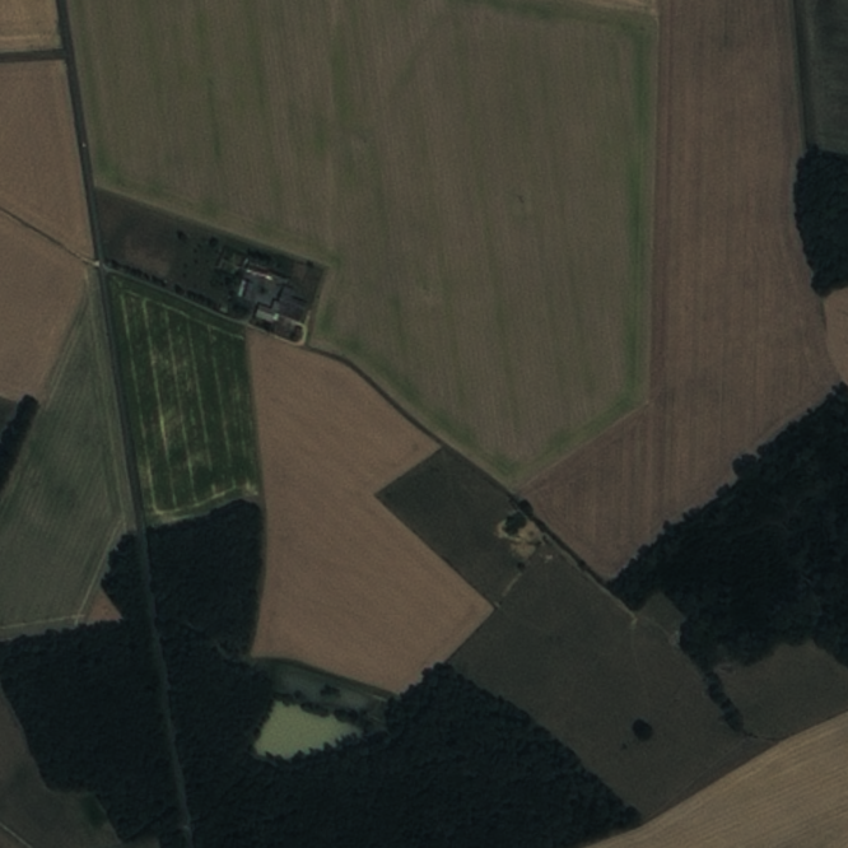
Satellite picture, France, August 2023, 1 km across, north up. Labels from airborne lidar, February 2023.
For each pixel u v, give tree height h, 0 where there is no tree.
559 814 23
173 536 17
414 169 0
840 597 20
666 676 0
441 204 0
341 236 0
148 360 0
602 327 0
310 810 15
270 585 0
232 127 0
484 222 0
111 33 0
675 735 0
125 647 16
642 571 13
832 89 0
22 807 0
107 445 0
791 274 0
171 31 0
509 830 19
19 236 0
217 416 0
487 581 0
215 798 15
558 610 0
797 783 0
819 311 0
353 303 0
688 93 0
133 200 0
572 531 0
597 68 0
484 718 21
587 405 0
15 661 14
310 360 0
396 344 0
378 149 0
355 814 14
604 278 0
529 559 0
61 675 14
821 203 23
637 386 0
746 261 0
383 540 0
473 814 12
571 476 0
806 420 6
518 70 0
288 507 0
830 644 23
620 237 0
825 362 0
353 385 0
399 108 0
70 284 0
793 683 0
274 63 0
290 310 0
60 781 14
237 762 15
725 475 0
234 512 17
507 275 0
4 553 0
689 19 0
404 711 10
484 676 0
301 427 0
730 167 0
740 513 6
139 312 0
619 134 0
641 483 0
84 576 0
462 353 0
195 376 0
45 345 0
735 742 0
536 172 0
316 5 0
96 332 0
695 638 20
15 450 20
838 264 19
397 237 0
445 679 18
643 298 0
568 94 0
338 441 0
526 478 0
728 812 0
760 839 0
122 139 0
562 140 0
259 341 0
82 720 17
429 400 0
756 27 0
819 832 0
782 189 0
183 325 0
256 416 0
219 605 24
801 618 19
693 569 6
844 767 0
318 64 0
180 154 0
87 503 0
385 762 16
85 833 0
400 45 0
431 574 0
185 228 0
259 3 0
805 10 0
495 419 0
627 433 0
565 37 0
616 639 0
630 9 0
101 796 13
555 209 0
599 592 0
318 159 0
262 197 0
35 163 0
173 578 22
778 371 0
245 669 19
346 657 0
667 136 0
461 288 0
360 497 0
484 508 0
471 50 0
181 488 0
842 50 0
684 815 0
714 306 0
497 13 0
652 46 0
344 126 0
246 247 0
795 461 20
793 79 0
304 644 0
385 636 0
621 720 0
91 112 0
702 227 0
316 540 0
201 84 0
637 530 0
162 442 0
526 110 0
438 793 12
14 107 0
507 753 14
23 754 0
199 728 17
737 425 0
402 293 0
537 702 0
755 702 0
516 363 0
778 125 0
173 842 17
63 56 0
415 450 0
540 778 17
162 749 15
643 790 0
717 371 0
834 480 18
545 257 0
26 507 0
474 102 0
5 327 0
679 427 0
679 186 0
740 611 8
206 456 0
